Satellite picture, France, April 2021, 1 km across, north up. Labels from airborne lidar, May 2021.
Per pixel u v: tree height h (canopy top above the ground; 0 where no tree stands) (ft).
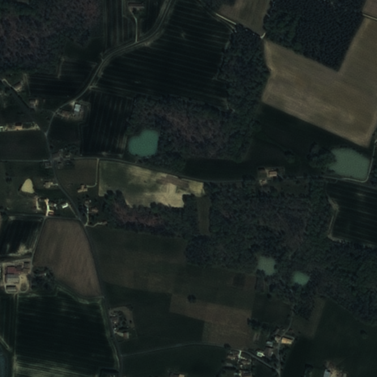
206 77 0
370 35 0
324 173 20
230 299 0
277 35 44
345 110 0
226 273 0
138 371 0
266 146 0
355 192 0
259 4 0
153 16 0
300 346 0
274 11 61
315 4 59
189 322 0
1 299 0
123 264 0
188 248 21
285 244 34
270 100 0
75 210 0
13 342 0
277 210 42
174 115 33
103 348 0
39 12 58
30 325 0
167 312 0
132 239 0
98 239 0
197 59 0
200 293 0
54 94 0
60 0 57
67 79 0
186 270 0
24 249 0
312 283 30
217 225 85
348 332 0
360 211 0
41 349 0
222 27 0
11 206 0
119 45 0
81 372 0
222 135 50
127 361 0
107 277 0
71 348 0
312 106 0
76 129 0
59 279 0
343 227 0
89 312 0
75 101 0
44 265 0
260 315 0
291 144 0
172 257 0
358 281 83
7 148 0
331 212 54
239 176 0
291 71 0
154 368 0
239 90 72
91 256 0
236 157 74
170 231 46
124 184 0
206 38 0
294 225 52
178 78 0
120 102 0
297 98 0
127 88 0
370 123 0
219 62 0
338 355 0
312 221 37
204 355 0
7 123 0
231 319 0
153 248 0
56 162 24
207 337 0
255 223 51
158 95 0
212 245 84
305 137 0
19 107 0
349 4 63
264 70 35
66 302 0
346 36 64
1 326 0
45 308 0
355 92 0
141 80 0
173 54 0
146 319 0
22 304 0
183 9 0
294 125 0
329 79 0
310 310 25
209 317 0
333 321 0
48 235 0
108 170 0
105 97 0
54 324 0
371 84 0
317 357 0
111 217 46
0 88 44
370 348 0
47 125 0
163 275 0
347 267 49
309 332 0
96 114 0
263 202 67
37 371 0
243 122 75
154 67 0
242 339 0
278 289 68
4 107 0
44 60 42
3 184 0
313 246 64
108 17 0
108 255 0
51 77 0
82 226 0
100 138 0
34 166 0
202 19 0
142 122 27
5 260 0
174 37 0
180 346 0
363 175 0
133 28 0
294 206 26
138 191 0
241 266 73
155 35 0
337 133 0
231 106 20
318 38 55
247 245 79
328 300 0
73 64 0
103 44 0
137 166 0
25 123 0
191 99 0
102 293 0
